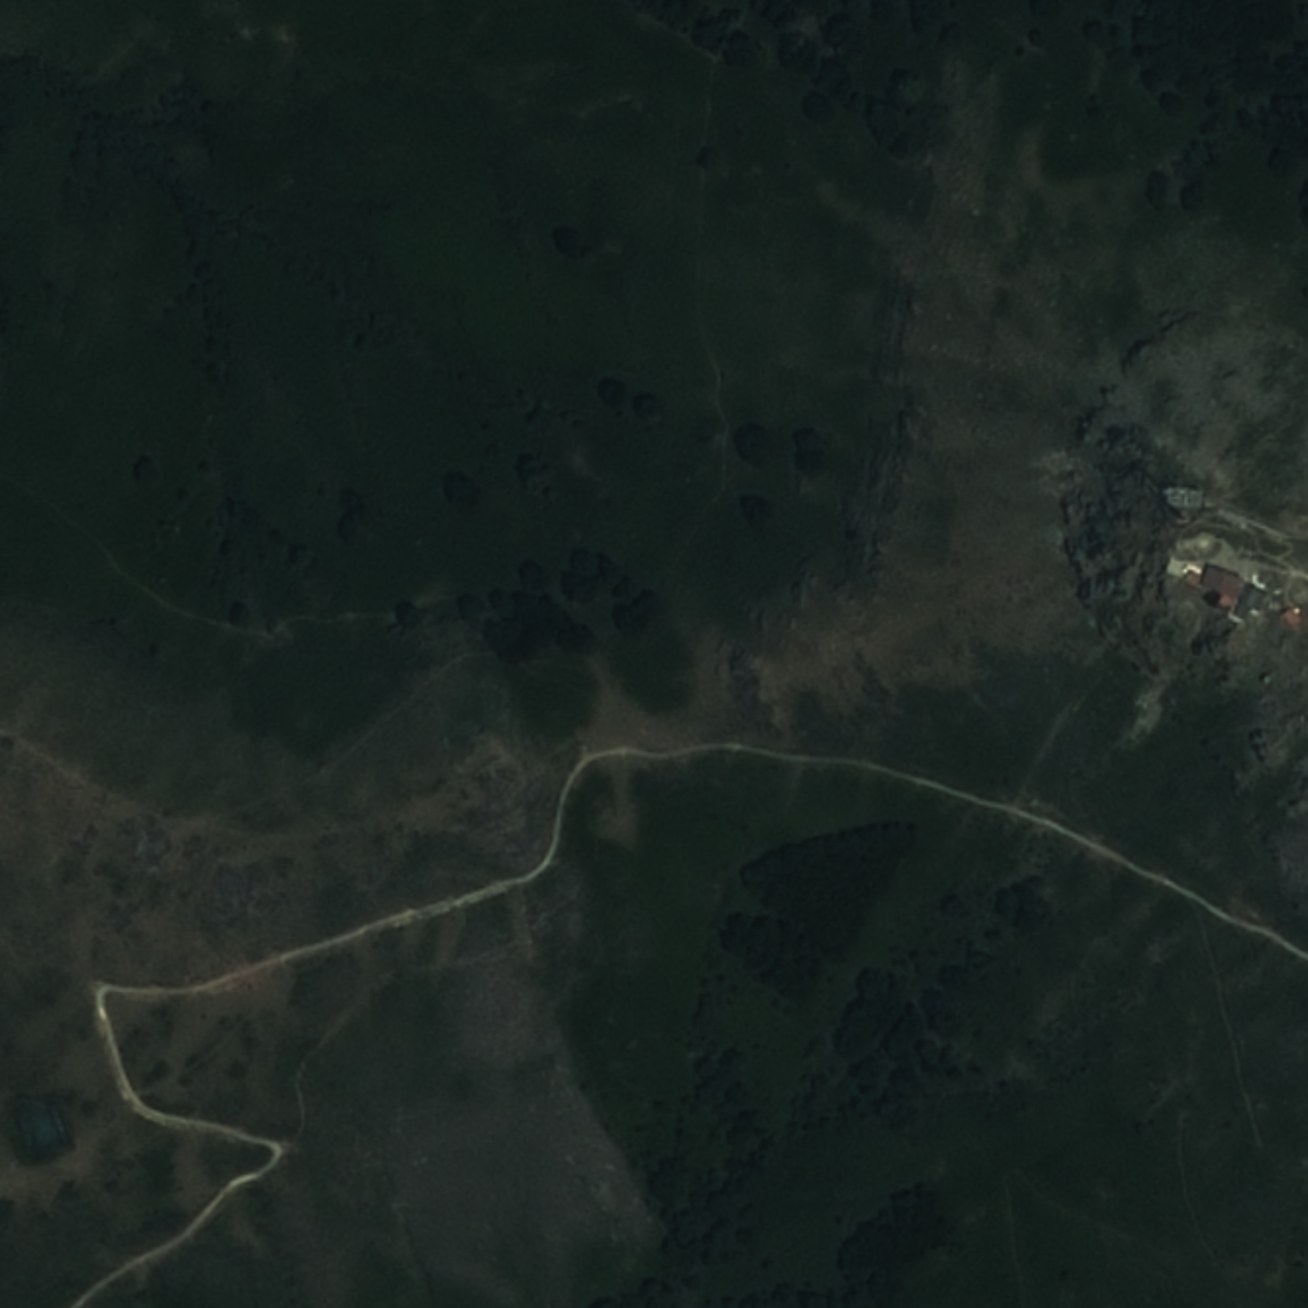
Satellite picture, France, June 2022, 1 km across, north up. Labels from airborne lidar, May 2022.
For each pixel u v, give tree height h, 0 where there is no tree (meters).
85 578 0
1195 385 0
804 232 0
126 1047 0
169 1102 0
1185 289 0
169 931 0
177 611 0
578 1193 0
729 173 0
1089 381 0
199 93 7
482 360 0
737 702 0
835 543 0
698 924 0
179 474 0
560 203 0
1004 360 0
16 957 0
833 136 0
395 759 0
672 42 0
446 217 0
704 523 0
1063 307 0
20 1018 0
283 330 0
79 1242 0
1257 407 0
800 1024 0
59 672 0
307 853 0
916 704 0
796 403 0
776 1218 0
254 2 0
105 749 0
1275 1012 0
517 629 16
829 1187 0
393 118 0
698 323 0
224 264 0
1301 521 0
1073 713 0
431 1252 0
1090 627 0
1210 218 0
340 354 0
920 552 0
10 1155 0
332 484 0
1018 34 0
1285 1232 0
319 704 0
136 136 9
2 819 0
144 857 0
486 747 0
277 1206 0
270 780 0
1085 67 0
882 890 14
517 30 0
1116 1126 0
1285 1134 0
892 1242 14
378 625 0
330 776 0
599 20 0
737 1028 0
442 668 0
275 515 0
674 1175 13
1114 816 0
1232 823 0
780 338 0
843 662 0
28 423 0
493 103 0
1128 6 21
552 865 0
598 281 0
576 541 0
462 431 0
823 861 19
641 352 0
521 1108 0
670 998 0
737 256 0
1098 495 0
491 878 0
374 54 0
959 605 0
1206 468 0
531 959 0
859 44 24
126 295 0
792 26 11
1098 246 0
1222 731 0
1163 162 0
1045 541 0
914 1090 22
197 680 0
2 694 0
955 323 0
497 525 0
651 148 0
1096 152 0
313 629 0
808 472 14
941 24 11
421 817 0
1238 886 0
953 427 0
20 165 0
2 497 0
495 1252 0
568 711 0
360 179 0
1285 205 0
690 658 0
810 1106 18
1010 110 0
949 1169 0
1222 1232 0
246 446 0
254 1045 0
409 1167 0
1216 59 16
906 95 18
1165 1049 0
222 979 0
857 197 0
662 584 0
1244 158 0
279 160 0
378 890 0
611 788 0
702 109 0
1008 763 0
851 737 0
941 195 0
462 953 0
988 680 0
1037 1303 0
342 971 0
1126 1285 0
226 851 0
